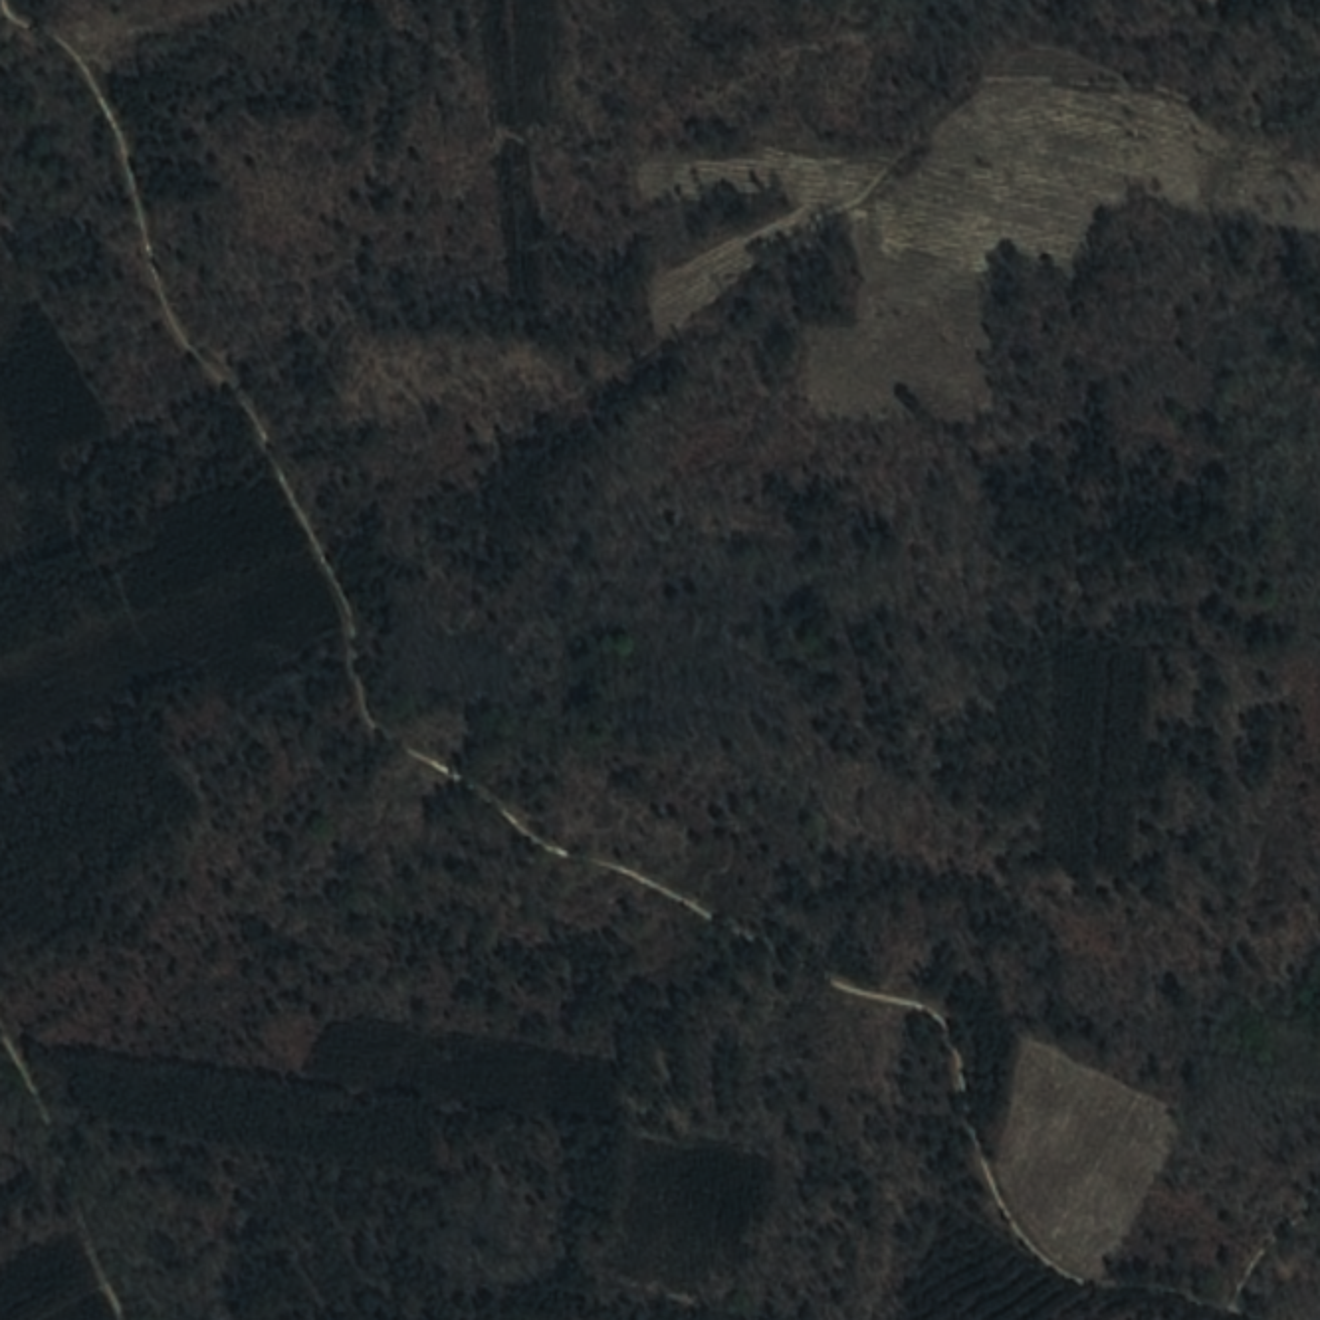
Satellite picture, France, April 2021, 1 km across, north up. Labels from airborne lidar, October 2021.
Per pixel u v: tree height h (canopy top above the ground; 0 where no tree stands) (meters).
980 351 0
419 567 11
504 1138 14
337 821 10
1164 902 21
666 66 9
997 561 10
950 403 0
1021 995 15
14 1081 16
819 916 25
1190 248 11
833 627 21
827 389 0
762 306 14
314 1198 20
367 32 22
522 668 13
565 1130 19
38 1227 21
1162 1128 0
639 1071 21
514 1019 18
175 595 9
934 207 0
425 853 8
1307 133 16
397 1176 22
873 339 0
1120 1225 0
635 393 7
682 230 12
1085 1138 0
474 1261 15
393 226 7
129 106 13
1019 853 19
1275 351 14
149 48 10
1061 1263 0
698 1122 16
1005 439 14
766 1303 7
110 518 10
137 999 8
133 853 19
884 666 20
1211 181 0
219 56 15
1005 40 13
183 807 19
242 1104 19
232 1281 12
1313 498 12
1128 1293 11
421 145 7
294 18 13
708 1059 11
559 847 12
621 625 6
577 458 16
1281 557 11
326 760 12
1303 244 10
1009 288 22
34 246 15
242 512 11
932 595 15
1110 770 20
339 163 14
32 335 9
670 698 17
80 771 19
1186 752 18
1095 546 22
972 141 0
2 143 7
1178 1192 17
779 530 13
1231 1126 13
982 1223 24
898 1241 10
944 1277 11
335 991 24
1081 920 12
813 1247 13
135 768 21
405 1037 8
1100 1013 8
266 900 12
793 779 12
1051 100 0
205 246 17
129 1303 16
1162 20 12
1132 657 13
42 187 15
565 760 13
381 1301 8
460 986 7
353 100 18
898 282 0
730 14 7
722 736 16
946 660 10
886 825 19
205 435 16
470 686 15
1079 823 19
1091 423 7
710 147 26
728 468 11
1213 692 21
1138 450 10
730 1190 9
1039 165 0
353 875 16
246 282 10
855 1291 12
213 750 13
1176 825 10
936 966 10
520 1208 17
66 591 20
